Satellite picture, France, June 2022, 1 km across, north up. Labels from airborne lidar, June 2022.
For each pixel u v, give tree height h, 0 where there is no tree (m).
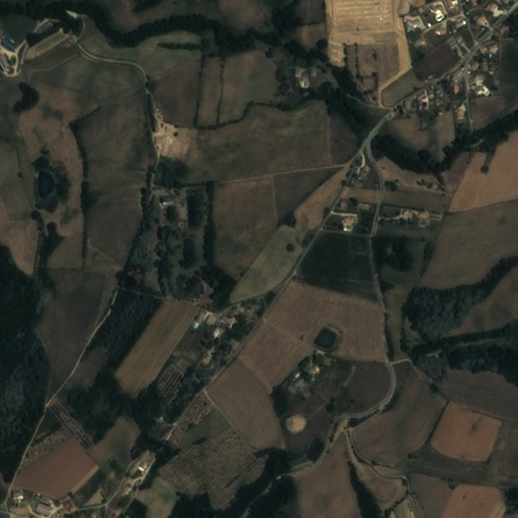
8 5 22
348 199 0
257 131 0
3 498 0
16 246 0
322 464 0
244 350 0
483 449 0
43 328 0
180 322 0
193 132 0
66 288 0
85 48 0
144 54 0
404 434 0
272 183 0
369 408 0
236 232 0
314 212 0
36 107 0
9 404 12
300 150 0
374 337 0
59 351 0
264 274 0
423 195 0
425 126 0
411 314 18
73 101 0
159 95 0
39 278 6
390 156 17
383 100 0
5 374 16
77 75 0
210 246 18
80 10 18
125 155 0
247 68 0
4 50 0
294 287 0
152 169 11
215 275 6
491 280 9
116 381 10
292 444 0
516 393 0
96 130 0
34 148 0
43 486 0
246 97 0
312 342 0
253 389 0
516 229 0
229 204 0
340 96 24
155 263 11
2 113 0
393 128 0
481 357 9
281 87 9
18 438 12
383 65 0
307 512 0
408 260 11
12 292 18
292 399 0
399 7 0
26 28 0
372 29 0
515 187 0
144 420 8
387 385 0
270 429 0
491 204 0
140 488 9
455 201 0
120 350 11
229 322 0
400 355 0
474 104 0
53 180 0
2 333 19
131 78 0
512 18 9
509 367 21
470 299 17
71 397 15
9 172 0
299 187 0
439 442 0
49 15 13
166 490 0
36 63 0
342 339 0
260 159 0
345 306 0
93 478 0
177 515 6
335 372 0
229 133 0
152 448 13
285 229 0
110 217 0
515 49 0
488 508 0
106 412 6
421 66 0
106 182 0
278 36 18
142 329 10
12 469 14
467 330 0
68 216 0
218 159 0
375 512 20
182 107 0
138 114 0
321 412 0
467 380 0
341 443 0
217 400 0
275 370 0
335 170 0
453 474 0
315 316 0
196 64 0
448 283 0
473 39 0
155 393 17
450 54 0
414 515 0
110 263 0
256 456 6
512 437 0
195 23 22
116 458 0
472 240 0
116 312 8
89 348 7
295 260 0
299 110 0
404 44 0
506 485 0
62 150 0
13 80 0
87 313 0
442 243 0
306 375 9
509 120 20
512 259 9
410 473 0
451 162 18
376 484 0
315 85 0
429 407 0
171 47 10
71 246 0
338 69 13
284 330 0
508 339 8
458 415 0
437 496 0
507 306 0
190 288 6
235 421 0
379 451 0
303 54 16
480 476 0
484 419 0
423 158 24
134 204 0
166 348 0
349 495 0
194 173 0
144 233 22
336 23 0
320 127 0
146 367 0
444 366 15
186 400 11
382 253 11
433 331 21
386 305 6
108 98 0
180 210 0
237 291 0
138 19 0
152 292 22
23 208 0
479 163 0
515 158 0
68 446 0
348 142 0
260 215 0
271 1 0
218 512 11
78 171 0
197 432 0
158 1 8
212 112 0
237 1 0
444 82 7
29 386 27
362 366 0
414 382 0
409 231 0
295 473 0
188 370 10
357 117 27
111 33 15
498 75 0
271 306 0
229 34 8
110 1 0
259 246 0
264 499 16
